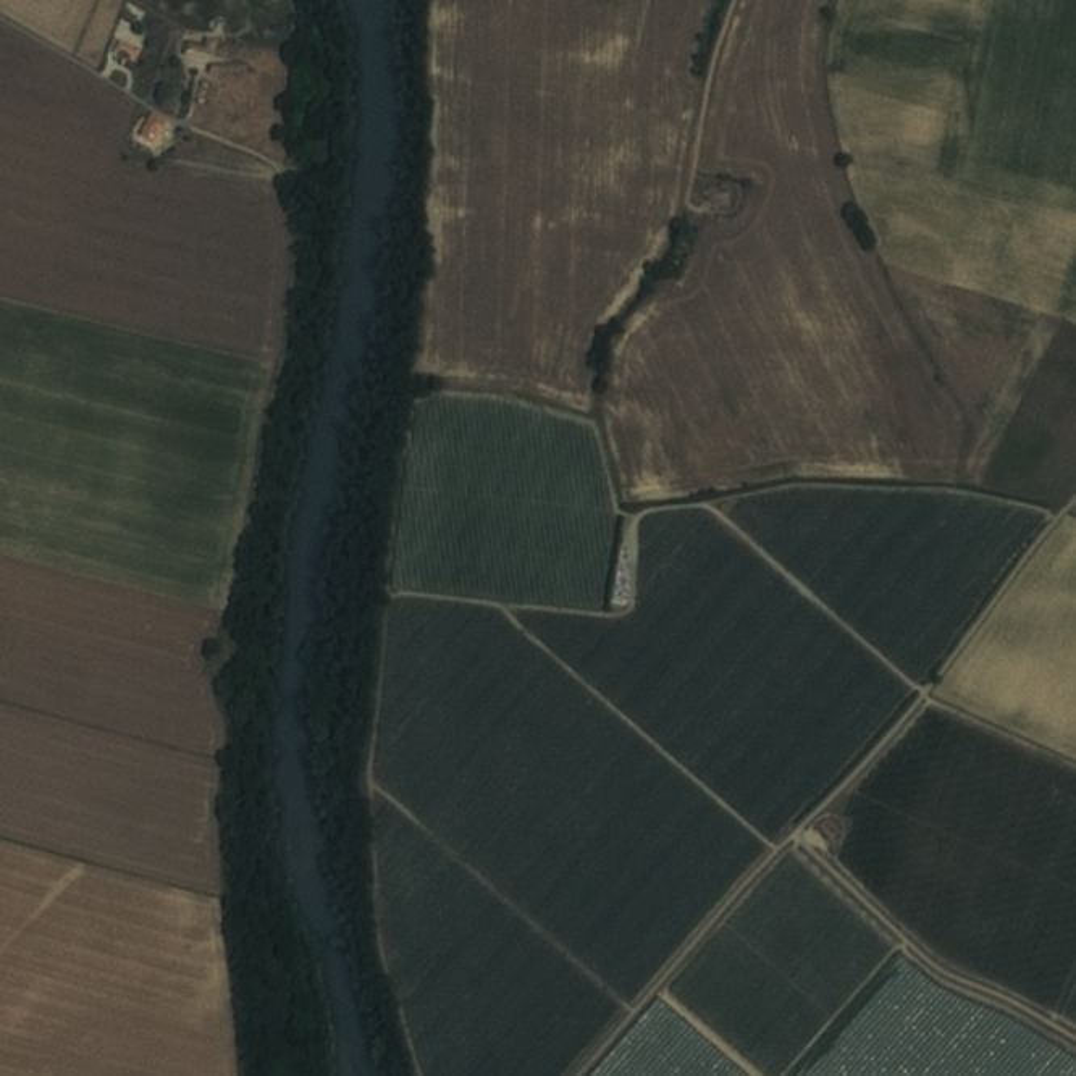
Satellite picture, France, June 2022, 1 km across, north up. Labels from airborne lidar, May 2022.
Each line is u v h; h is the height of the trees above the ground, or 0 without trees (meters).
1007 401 0
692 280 0
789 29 0
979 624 0
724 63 0
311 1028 18
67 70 0
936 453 0
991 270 0
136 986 0
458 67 0
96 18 0
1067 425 0
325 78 13
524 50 0
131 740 0
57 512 0
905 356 0
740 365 0
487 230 0
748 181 8
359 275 0
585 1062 0
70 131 0
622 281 0
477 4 0
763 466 0
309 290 8
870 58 0
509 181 0
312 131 19
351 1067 0
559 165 0
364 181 0
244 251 0
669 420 0
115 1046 0
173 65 8
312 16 12
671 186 0
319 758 32
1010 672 0
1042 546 0
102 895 0
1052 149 0
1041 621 0
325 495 0
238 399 0
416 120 17
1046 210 0
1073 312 0
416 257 26
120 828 0
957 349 0
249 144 0
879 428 0
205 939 0
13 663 0
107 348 0
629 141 0
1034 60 0
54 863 0
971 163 0
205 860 0
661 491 0
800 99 0
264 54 0
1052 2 0
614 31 0
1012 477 0
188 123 0
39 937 0
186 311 0
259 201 0
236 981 7
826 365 0
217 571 0
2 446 0
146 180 0
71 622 0
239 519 0
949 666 0
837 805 0
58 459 0
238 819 19
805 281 0
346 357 0
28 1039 0
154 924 0
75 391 0
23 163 0
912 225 0
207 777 0
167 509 0
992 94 0
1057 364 0
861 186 0
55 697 0
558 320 0
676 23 0
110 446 0
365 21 0
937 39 0
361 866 21
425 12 6
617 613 0
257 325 0
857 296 0
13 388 0
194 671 0
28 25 0
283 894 14
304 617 0
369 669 17
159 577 0
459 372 0
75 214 0
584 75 0
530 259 0
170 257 0
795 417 0
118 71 0
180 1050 0
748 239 0
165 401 0
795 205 0
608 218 0
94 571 0
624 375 0
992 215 0
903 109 0
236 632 10
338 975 0
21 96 0
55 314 0
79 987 0
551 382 0
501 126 0
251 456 0
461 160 0
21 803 0
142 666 0
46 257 0
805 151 0
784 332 0
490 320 0
